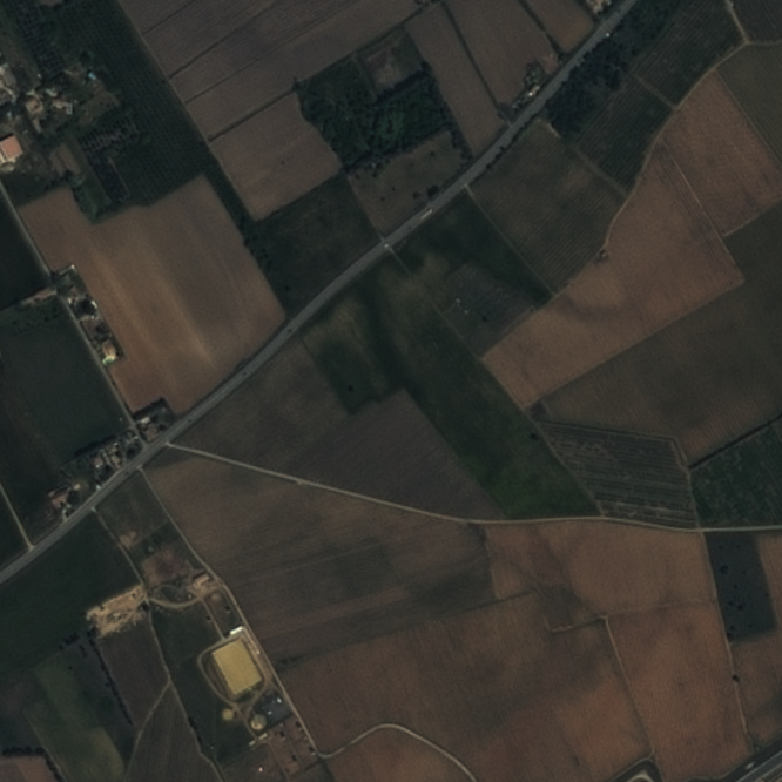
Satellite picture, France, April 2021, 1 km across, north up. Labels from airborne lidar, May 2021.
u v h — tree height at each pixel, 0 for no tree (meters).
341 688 0
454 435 0
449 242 0
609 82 6
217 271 0
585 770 0
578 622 0
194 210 0
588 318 0
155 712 0
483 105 0
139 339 0
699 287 0
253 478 0
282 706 0
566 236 0
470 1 0
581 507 0
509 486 0
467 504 0
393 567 0
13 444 0
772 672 0
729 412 0
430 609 0
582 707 0
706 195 0
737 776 0
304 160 0
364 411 0
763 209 0
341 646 0
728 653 0
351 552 0
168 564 0
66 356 0
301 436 0
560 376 0
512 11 0
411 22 0
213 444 0
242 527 0
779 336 0
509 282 0
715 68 0
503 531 0
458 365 0
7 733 0
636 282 0
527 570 0
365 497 0
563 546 0
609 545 0
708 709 0
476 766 0
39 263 0
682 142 0
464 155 6
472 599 0
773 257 0
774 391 0
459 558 0
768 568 0
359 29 0
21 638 0
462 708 0
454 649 0
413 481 0
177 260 0
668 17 6
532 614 0
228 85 0
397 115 17
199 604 0
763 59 0
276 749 0
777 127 0
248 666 0
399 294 0
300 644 0
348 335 0
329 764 0
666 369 0
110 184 8
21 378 0
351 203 0
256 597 0
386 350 0
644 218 0
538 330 0
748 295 0
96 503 0
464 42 0
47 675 0
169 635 0
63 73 6
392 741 0
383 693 0
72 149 0
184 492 0
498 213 0
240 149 0
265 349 0
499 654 0
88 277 0
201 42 0
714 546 0
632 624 0
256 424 0
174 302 0
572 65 0
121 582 0
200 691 0
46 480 0
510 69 0
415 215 0
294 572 0
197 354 0
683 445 0
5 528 0
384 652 0
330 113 7
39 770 0
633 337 0
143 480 0
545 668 0
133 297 0
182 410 0
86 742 0
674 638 0
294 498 0
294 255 0
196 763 0
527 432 0
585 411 0
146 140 8
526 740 0
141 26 0
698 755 0
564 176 0
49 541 0
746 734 0
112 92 9
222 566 0
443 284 0
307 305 0
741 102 0
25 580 0
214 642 0
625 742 0
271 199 0
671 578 0
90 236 0
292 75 0
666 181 0
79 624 0
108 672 9
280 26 0
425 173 0
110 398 0
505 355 0
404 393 0
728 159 0
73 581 0
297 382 0
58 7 9
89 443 0
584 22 0
